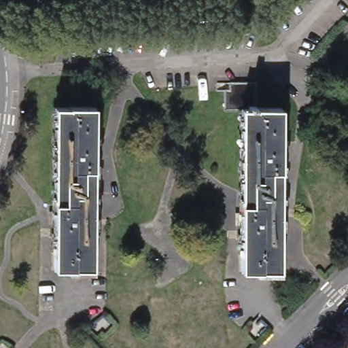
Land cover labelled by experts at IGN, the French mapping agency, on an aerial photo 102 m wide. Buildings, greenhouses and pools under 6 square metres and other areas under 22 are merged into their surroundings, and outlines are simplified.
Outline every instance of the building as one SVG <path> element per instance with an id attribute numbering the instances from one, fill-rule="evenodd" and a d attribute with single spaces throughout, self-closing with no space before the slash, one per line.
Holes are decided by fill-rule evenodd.
<path id="1" fill-rule="evenodd" d="M 235 215 L 235 224 L 241 226 L 243 239 L 243 245 L 237 246 L 237 251 L 241 253 L 239 268 L 246 279 L 250 275 L 261 276 L 261 281 L 273 281 L 285 280 L 287 275 L 285 235 L 288 227 L 285 207 L 288 137 L 287 114 L 284 111 L 245 111 L 241 125 L 242 137 L 237 140 L 237 144 L 242 189 L 243 201 L 239 208 L 243 213 Z"/>
<path id="2" fill-rule="evenodd" d="M 90 326 L 88 333 L 107 332 L 105 318 L 99 319 L 97 325 Z"/>
<path id="3" fill-rule="evenodd" d="M 54 125 L 57 136 L 57 162 L 53 163 L 52 167 L 53 205 L 57 211 L 57 215 L 53 216 L 56 231 L 53 271 L 58 277 L 98 277 L 99 254 L 106 250 L 105 231 L 102 230 L 102 226 L 105 226 L 106 220 L 99 222 L 101 120 L 99 111 L 57 110 L 57 121 Z"/>

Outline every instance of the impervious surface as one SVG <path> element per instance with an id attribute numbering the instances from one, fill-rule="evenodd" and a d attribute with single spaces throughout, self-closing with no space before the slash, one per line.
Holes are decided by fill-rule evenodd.
<path id="1" fill-rule="evenodd" d="M 99 319 L 105 318 L 105 307 L 102 295 L 106 295 L 106 291 L 103 290 L 106 283 L 106 250 L 99 254 L 98 277 L 58 277 L 53 271 L 56 231 L 53 216 L 57 215 L 57 211 L 53 205 L 43 203 L 20 173 L 12 175 L 12 182 L 18 182 L 20 188 L 30 197 L 35 207 L 35 215 L 14 224 L 7 231 L 4 250 L 10 251 L 12 234 L 30 223 L 41 224 L 43 238 L 42 254 L 39 257 L 39 272 L 42 279 L 39 281 L 39 314 L 38 317 L 33 315 L 31 321 L 34 325 L 23 334 L 15 348 L 29 348 L 42 333 L 50 329 L 57 329 L 63 348 L 71 348 L 67 340 L 67 326 L 69 329 L 75 329 L 76 326 L 83 324 L 90 326 L 97 325 Z"/>
<path id="2" fill-rule="evenodd" d="M 257 46 L 247 42 L 247 45 L 241 45 L 237 49 L 231 49 L 231 45 L 227 45 L 227 50 L 193 50 L 182 53 L 166 49 L 160 50 L 159 53 L 141 53 L 143 45 L 137 46 L 137 52 L 133 53 L 121 53 L 122 48 L 113 52 L 113 49 L 109 48 L 106 56 L 99 54 L 99 57 L 106 68 L 110 71 L 114 69 L 117 76 L 126 82 L 121 87 L 116 103 L 109 107 L 107 124 L 101 120 L 99 222 L 106 220 L 107 217 L 116 216 L 122 207 L 113 163 L 120 154 L 113 145 L 120 135 L 121 118 L 124 116 L 125 107 L 136 98 L 141 98 L 132 79 L 137 72 L 143 72 L 148 87 L 164 87 L 171 91 L 181 92 L 182 87 L 207 87 L 208 92 L 223 91 L 223 109 L 238 110 L 238 121 L 241 125 L 245 111 L 284 111 L 287 114 L 290 113 L 291 101 L 294 101 L 296 107 L 299 107 L 298 122 L 299 128 L 302 129 L 310 120 L 310 113 L 306 111 L 311 98 L 306 94 L 309 77 L 306 71 L 313 63 L 314 61 L 310 58 L 310 53 L 314 52 L 318 43 L 338 23 L 348 22 L 348 0 L 310 0 L 303 8 L 295 8 L 295 15 L 290 22 L 281 26 L 279 37 L 268 46 Z"/>
<path id="3" fill-rule="evenodd" d="M 152 247 L 166 258 L 162 276 L 158 279 L 158 288 L 170 284 L 174 277 L 188 271 L 189 261 L 179 256 L 170 242 L 173 234 L 170 230 L 171 215 L 171 205 L 174 203 L 171 201 L 171 192 L 175 182 L 174 170 L 171 169 L 164 182 L 158 212 L 151 222 L 143 223 L 140 227 L 141 238 L 145 243 Z"/>
<path id="4" fill-rule="evenodd" d="M 237 246 L 243 245 L 243 239 L 241 226 L 235 224 L 235 215 L 243 213 L 239 208 L 243 201 L 242 189 L 228 188 L 216 181 L 207 170 L 201 170 L 208 182 L 223 190 L 226 205 L 224 222 L 223 228 L 228 238 L 227 250 L 226 281 L 223 283 L 226 300 L 231 304 L 227 306 L 227 310 L 230 310 L 230 317 L 235 317 L 235 324 L 245 325 L 251 322 L 251 333 L 257 336 L 262 326 L 273 325 L 272 333 L 262 341 L 260 348 L 314 348 L 319 340 L 333 340 L 336 343 L 343 341 L 344 337 L 337 332 L 337 325 L 343 318 L 348 321 L 348 268 L 344 271 L 332 268 L 326 272 L 318 271 L 317 265 L 329 264 L 330 251 L 319 250 L 314 242 L 311 242 L 309 232 L 303 232 L 302 226 L 294 219 L 296 181 L 302 144 L 299 141 L 292 141 L 288 137 L 285 207 L 288 227 L 285 235 L 287 275 L 295 277 L 299 283 L 310 284 L 317 284 L 318 290 L 291 317 L 281 317 L 281 309 L 276 303 L 276 298 L 273 294 L 273 281 L 261 281 L 261 276 L 250 275 L 246 279 L 239 268 L 241 253 L 237 251 Z"/>
<path id="5" fill-rule="evenodd" d="M 253 18 L 256 8 L 253 0 L 238 0 L 243 24 L 249 24 Z"/>
<path id="6" fill-rule="evenodd" d="M 0 46 L 0 169 L 7 166 L 10 154 L 15 133 L 18 132 L 16 120 L 19 120 L 19 117 L 24 113 L 19 106 L 24 98 L 24 87 L 30 79 L 37 76 L 60 76 L 63 69 L 73 72 L 86 71 L 90 64 L 88 57 L 57 56 L 53 63 L 37 64 L 5 52 Z"/>

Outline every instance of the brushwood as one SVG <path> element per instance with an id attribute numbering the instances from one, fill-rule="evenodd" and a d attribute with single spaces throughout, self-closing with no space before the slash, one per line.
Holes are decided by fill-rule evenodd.
<path id="1" fill-rule="evenodd" d="M 12 182 L 12 175 L 20 173 L 24 163 L 23 155 L 15 159 L 10 154 L 7 166 L 0 169 L 0 209 L 5 208 L 10 200 Z"/>
<path id="2" fill-rule="evenodd" d="M 262 326 L 257 336 L 251 333 L 249 334 L 253 340 L 246 348 L 260 348 L 262 341 L 272 333 L 273 325 Z"/>
<path id="3" fill-rule="evenodd" d="M 19 120 L 16 120 L 18 132 L 26 137 L 27 141 L 37 129 L 34 122 L 23 121 L 19 117 Z"/>
<path id="4" fill-rule="evenodd" d="M 105 307 L 105 318 L 107 332 L 88 333 L 88 341 L 83 348 L 106 348 L 102 341 L 109 340 L 118 332 L 120 328 L 117 322 L 120 322 L 120 318 L 109 307 Z"/>
<path id="5" fill-rule="evenodd" d="M 318 290 L 317 284 L 310 284 L 306 290 L 296 291 L 292 298 L 276 298 L 276 303 L 281 309 L 281 317 L 291 317 Z"/>
<path id="6" fill-rule="evenodd" d="M 14 269 L 14 283 L 18 287 L 26 283 L 27 273 L 30 271 L 30 265 L 22 262 Z"/>
<path id="7" fill-rule="evenodd" d="M 310 58 L 314 61 L 326 52 L 338 34 L 348 33 L 348 22 L 338 23 L 318 43 L 314 52 L 310 53 Z"/>

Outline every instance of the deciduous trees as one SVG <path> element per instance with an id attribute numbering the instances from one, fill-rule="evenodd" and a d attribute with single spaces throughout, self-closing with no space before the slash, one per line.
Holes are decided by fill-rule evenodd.
<path id="1" fill-rule="evenodd" d="M 83 324 L 76 326 L 75 329 L 69 329 L 67 326 L 67 340 L 71 348 L 83 348 L 88 341 L 88 333 L 90 326 Z"/>
<path id="2" fill-rule="evenodd" d="M 228 238 L 223 228 L 224 222 L 220 217 L 213 216 L 208 220 L 200 213 L 193 216 L 185 213 L 171 215 L 170 230 L 173 234 L 170 242 L 179 256 L 189 261 L 205 264 L 211 260 L 216 250 L 224 247 L 227 250 Z"/>
<path id="3" fill-rule="evenodd" d="M 348 71 L 344 71 L 343 65 L 338 61 L 326 65 L 325 69 L 315 68 L 313 63 L 306 71 L 309 77 L 306 94 L 311 98 L 306 111 L 310 113 L 310 120 L 302 129 L 299 132 L 299 141 L 302 144 L 309 145 L 309 151 L 314 151 L 314 154 L 324 160 L 326 169 L 340 174 L 344 171 L 344 182 L 348 186 Z"/>
<path id="4" fill-rule="evenodd" d="M 330 251 L 329 264 L 317 265 L 318 271 L 326 272 L 332 268 L 344 271 L 348 268 L 348 238 L 344 241 L 330 238 Z"/>
<path id="5" fill-rule="evenodd" d="M 150 262 L 152 276 L 158 279 L 162 276 L 166 258 L 152 247 L 145 261 Z"/>
<path id="6" fill-rule="evenodd" d="M 287 275 L 285 280 L 273 281 L 273 294 L 276 298 L 292 298 L 296 291 L 306 290 L 310 284 L 299 283 L 295 277 Z"/>
<path id="7" fill-rule="evenodd" d="M 122 237 L 120 249 L 128 256 L 122 265 L 135 266 L 135 257 L 139 256 L 145 243 L 141 238 L 140 227 L 139 224 L 130 224 Z"/>
<path id="8" fill-rule="evenodd" d="M 121 53 L 133 53 L 137 52 L 137 46 L 143 45 L 141 53 L 159 53 L 160 50 L 166 49 L 182 53 L 193 50 L 227 50 L 227 45 L 231 45 L 231 49 L 237 49 L 241 45 L 247 45 L 247 42 L 257 46 L 268 46 L 279 37 L 281 26 L 290 22 L 295 15 L 295 8 L 303 8 L 310 0 L 253 0 L 256 8 L 253 18 L 249 24 L 243 24 L 238 0 L 0 0 L 0 46 L 5 52 L 37 64 L 53 63 L 57 56 L 88 57 L 90 64 L 86 71 L 73 72 L 63 69 L 60 76 L 53 103 L 57 110 L 99 111 L 101 120 L 107 124 L 109 107 L 116 103 L 121 87 L 126 82 L 117 76 L 114 69 L 110 71 L 106 68 L 99 57 L 99 54 L 106 56 L 109 48 L 113 49 L 113 52 L 122 48 Z"/>
<path id="9" fill-rule="evenodd" d="M 135 158 L 139 159 L 151 159 L 158 155 L 160 164 L 171 169 L 174 170 L 175 182 L 188 193 L 196 192 L 198 186 L 208 182 L 201 170 L 201 162 L 207 158 L 207 136 L 204 133 L 198 135 L 192 126 L 188 125 L 186 114 L 192 110 L 193 101 L 182 99 L 181 92 L 171 91 L 169 99 L 160 103 L 141 98 L 136 98 L 125 107 L 124 116 L 121 118 L 120 135 L 113 145 L 120 154 L 135 155 Z"/>
<path id="10" fill-rule="evenodd" d="M 343 341 L 336 343 L 333 340 L 319 340 L 314 348 L 348 348 L 348 321 L 343 318 L 337 325 L 337 332 L 344 337 Z"/>

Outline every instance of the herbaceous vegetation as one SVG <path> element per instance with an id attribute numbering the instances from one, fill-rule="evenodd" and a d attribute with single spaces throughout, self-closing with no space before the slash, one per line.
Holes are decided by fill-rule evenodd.
<path id="1" fill-rule="evenodd" d="M 60 76 L 37 76 L 30 79 L 24 87 L 24 98 L 19 106 L 24 113 L 19 117 L 23 121 L 34 122 L 37 129 L 27 141 L 26 137 L 18 132 L 15 133 L 10 154 L 15 159 L 23 155 L 24 163 L 20 173 L 43 203 L 53 205 L 52 167 L 53 163 L 57 162 L 57 136 L 54 125 L 57 121 L 57 110 L 53 103 Z"/>
<path id="2" fill-rule="evenodd" d="M 171 215 L 185 213 L 193 216 L 200 213 L 208 220 L 213 216 L 220 217 L 224 222 L 226 205 L 223 190 L 208 182 L 198 186 L 196 192 L 188 193 L 175 182 L 171 192 L 171 201 L 174 203 L 171 205 Z"/>
<path id="3" fill-rule="evenodd" d="M 344 171 L 340 174 L 326 169 L 324 160 L 314 154 L 314 151 L 309 151 L 309 145 L 302 144 L 296 181 L 294 219 L 302 226 L 303 232 L 309 232 L 311 242 L 314 242 L 319 250 L 330 251 L 330 238 L 344 241 L 348 238 L 348 186 L 344 182 Z"/>
<path id="4" fill-rule="evenodd" d="M 338 34 L 326 52 L 314 61 L 313 63 L 315 68 L 325 69 L 326 65 L 338 61 L 343 65 L 344 71 L 348 71 L 348 33 Z"/>
<path id="5" fill-rule="evenodd" d="M 102 226 L 102 230 L 105 231 L 106 250 L 106 283 L 103 290 L 106 291 L 106 295 L 102 295 L 105 307 L 109 307 L 120 318 L 120 322 L 117 322 L 120 328 L 118 332 L 109 340 L 102 341 L 106 348 L 246 348 L 253 340 L 249 334 L 251 333 L 251 322 L 245 325 L 235 324 L 235 317 L 230 317 L 230 310 L 227 310 L 227 306 L 231 304 L 226 300 L 223 283 L 226 281 L 227 250 L 224 247 L 216 250 L 211 260 L 205 264 L 189 261 L 188 271 L 174 277 L 170 284 L 158 288 L 158 279 L 152 276 L 150 262 L 145 261 L 152 247 L 145 243 L 139 256 L 135 257 L 135 266 L 122 265 L 128 256 L 120 249 L 122 237 L 130 224 L 139 224 L 140 227 L 143 223 L 151 222 L 158 212 L 164 182 L 171 169 L 160 164 L 158 155 L 151 159 L 139 159 L 135 158 L 135 155 L 120 154 L 113 163 L 122 207 L 116 216 L 107 217 L 106 220 L 105 226 Z"/>
<path id="6" fill-rule="evenodd" d="M 57 329 L 50 329 L 42 333 L 29 348 L 63 348 Z"/>
<path id="7" fill-rule="evenodd" d="M 302 129 L 299 128 L 298 122 L 299 107 L 296 107 L 294 101 L 291 101 L 290 113 L 287 114 L 288 137 L 292 141 L 299 141 L 299 132 Z"/>
<path id="8" fill-rule="evenodd" d="M 169 99 L 171 91 L 164 87 L 148 87 L 143 72 L 137 72 L 132 79 L 141 98 L 160 103 Z"/>
<path id="9" fill-rule="evenodd" d="M 30 197 L 20 188 L 18 182 L 12 182 L 10 200 L 5 208 L 0 209 L 0 348 L 15 348 L 23 334 L 34 325 L 31 321 L 33 315 L 38 317 L 39 314 L 39 281 L 42 279 L 39 272 L 39 257 L 42 254 L 43 238 L 41 224 L 30 223 L 12 234 L 10 251 L 4 250 L 7 231 L 14 224 L 35 215 L 35 207 Z M 26 283 L 18 287 L 14 283 L 14 269 L 22 262 L 30 265 L 30 271 L 27 273 Z"/>
<path id="10" fill-rule="evenodd" d="M 237 144 L 237 140 L 242 137 L 241 125 L 238 121 L 238 110 L 223 109 L 223 91 L 208 92 L 207 87 L 182 87 L 181 92 L 182 99 L 193 101 L 192 110 L 186 114 L 188 125 L 192 126 L 198 135 L 204 133 L 207 136 L 207 158 L 201 162 L 201 170 L 207 170 L 216 181 L 228 188 L 242 189 Z"/>

